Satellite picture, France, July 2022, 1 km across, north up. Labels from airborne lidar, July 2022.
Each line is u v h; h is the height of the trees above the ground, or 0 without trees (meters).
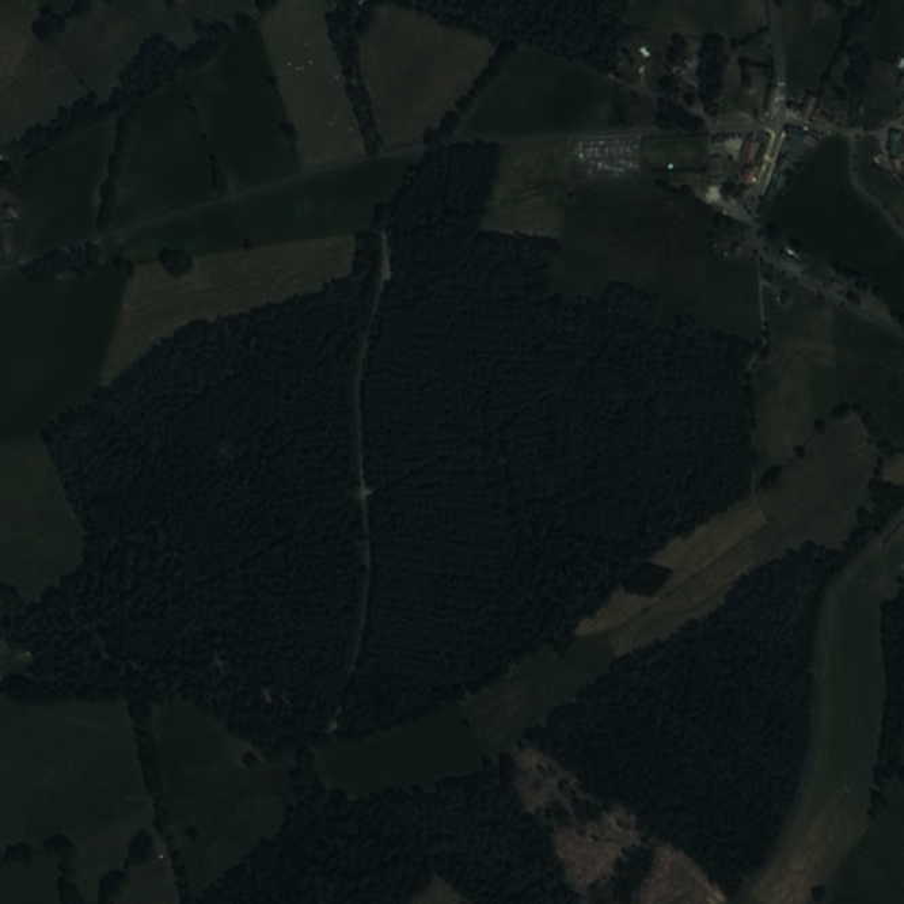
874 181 0
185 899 21
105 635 22
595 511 20
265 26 0
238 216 0
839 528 0
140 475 20
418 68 0
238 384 20
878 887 0
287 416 20
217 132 0
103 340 0
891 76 0
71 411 0
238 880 23
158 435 21
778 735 10
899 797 0
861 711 0
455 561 19
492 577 20
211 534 24
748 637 19
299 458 21
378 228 13
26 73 0
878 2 10
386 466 18
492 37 16
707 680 22
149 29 0
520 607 15
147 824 0
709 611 0
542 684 0
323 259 0
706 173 6
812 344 0
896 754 13
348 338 23
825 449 0
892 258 0
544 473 19
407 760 0
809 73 0
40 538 0
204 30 20
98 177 0
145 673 14
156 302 0
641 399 22
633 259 0
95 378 0
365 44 0
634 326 22
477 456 19
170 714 0
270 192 0
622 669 25
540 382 18
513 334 18
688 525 13
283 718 12
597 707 25
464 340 19
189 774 0
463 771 0
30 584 0
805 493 0
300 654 25
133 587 30
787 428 0
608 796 13
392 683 14
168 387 27
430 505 23
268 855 23
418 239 20
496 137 0
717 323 0
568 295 0
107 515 20
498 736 0
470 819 28
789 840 0
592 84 0
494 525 21
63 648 27
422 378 19
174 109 0
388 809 22
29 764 0
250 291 0
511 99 0
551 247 25
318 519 21
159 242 0
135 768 0
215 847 0
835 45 0
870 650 0
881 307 0
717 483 18
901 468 0
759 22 0
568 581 6
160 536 22
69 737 0
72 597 30
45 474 0
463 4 25
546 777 18
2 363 0
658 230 0
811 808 0
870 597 0
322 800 20
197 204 0
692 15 0
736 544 0
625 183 0
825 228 0
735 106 0
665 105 17
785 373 0
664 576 10
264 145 0
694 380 18
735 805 9
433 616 21
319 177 0
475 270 13
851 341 0
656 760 12
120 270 16
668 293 0
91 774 0
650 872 11
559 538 19
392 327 19
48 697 22
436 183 19
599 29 21
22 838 0
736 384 12
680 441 17
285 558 21
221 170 14
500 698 0
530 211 0
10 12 0
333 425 19
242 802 0
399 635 20
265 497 21
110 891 22
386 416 18
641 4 0
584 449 20
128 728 0
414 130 0
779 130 0
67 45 0
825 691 0
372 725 11
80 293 0
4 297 0
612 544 21
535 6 21
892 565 0
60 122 13
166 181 0
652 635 0
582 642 0
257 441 11
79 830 0
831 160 0
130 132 20
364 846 23
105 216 17
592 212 0
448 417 21
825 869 0
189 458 18
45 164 0
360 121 15
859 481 0
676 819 21
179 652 14
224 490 20
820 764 0
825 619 0
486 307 18
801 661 6
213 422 19
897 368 0
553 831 9
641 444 20
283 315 19
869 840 0
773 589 29
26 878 0
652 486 17
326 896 33
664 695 17
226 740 0
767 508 0
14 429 0
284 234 0
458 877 12
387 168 0
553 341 22
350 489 11
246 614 22
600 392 16
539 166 0
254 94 0
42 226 0
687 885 0
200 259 0
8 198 0
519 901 25
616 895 10
